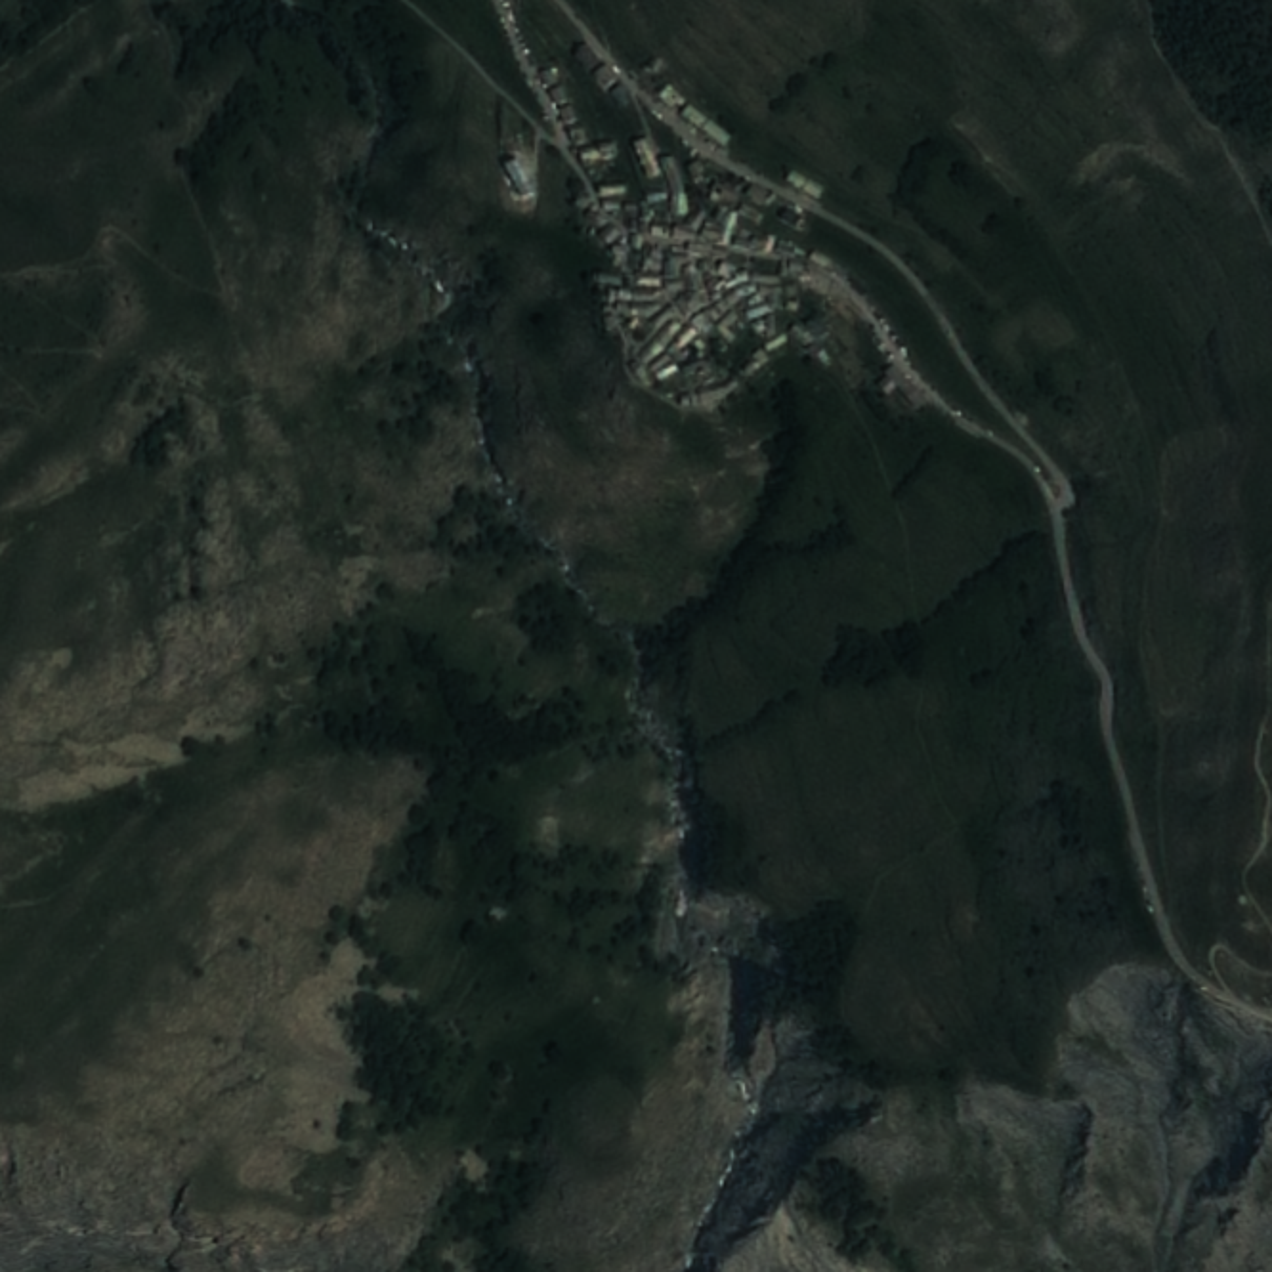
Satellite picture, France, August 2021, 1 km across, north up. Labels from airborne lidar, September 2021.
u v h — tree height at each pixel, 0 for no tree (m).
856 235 0
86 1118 0
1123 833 0
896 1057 0
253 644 0
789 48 0
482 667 0
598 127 0
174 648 0
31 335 0
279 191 0
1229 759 0
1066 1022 0
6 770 0
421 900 0
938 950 0
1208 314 0
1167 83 0
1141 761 0
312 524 0
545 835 0
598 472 0
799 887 0
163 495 0
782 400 13
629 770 0
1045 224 0
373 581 0
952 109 0
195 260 0
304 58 0
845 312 0
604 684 0
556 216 0
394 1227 0
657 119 0
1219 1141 0
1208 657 0
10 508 0
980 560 0
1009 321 0
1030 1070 0
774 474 8
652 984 0
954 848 0
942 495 0
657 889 7
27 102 0
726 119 7
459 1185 10
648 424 0
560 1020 0
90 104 0
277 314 0
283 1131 0
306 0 0
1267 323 0
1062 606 0
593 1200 0
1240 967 0
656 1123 0
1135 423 0
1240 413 0
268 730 8
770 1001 23
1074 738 0
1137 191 0
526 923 7
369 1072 10
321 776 0
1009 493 0
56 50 0
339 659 11
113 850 0
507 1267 17
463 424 0
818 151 0
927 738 0
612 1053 0
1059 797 8
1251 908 0
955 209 0
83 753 0
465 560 11
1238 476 0
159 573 0
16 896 0
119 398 0
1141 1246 0
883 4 0
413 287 0
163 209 0
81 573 0
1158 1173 0
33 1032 0
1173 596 0
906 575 0
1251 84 9
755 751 0
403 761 0
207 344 0
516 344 0
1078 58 0
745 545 9
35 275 0
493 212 0
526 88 0
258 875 0
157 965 0
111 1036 0
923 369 0
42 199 0
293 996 0
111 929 0
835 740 0
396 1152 0
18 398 0
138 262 0
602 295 9
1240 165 0
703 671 0
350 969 0
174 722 0
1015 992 0
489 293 9
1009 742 0
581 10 0
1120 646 0
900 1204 0
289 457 0
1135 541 0
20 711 0
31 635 0
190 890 0
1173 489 0
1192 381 0
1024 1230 0
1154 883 0
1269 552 0
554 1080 0
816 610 0
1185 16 9
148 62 0
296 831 0
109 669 0
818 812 0
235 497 0
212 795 0
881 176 0
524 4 0
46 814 0
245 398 0
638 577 0
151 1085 0
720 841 13
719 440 0
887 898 0
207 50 8
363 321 0
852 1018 0
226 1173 0
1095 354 0
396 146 0
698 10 0
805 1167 6
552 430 0
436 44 0
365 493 0
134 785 0
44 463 0
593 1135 0
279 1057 0
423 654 12
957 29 0
